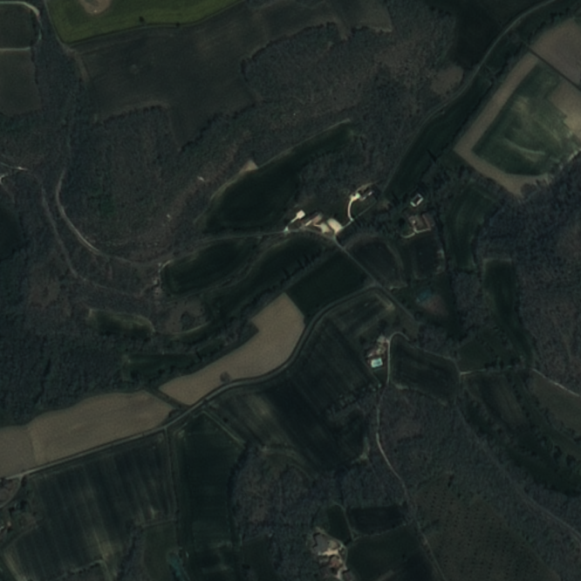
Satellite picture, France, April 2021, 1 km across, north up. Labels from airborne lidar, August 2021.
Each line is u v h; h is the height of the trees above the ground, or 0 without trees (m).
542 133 0
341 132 0
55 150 17
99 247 10
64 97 21
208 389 0
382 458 11
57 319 17
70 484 0
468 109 0
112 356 23
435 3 0
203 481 0
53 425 0
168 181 12
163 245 7
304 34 12
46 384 18
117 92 0
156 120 17
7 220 0
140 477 0
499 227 19
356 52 15
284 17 0
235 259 0
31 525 0
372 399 14
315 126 18
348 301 0
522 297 15
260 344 0
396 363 0
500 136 0
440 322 0
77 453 0
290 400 0
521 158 0
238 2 0
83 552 0
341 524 0
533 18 0
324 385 0
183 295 0
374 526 0
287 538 18
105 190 10
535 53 0
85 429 0
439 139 0
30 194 16
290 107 9
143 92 0
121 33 0
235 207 0
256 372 0
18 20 0
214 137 13
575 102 0
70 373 16
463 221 0
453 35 19
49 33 13
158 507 0
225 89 0
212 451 0
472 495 13
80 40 0
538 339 21
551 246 6
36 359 18
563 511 14
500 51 0
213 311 0
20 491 0
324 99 9
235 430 0
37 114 11
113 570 0
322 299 0
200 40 0
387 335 18
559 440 0
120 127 13
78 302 19
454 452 11
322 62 13
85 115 16
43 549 0
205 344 15
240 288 0
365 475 22
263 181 0
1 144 9
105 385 8
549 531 11
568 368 11
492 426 13
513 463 22
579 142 0
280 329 0
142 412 0
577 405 0
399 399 7
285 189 0
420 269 0
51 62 18
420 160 0
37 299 0
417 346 9
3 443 0
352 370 0
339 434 0
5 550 0
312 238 9
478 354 0
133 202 10
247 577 21
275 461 0
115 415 0
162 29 0
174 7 0
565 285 8
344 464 0
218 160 7
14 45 0
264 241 12
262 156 21
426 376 0
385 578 0
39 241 17
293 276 8
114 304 23
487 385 0
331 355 0
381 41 12
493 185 16
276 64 16
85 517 0
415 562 0
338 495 7
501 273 0
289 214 10
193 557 0
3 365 15
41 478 0
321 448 0
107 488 0
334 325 0
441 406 15
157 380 9
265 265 0
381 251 0
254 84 19
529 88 0
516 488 12
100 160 11
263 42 0
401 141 13
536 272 14
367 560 0
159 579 0
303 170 8
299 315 0
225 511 0
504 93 0
